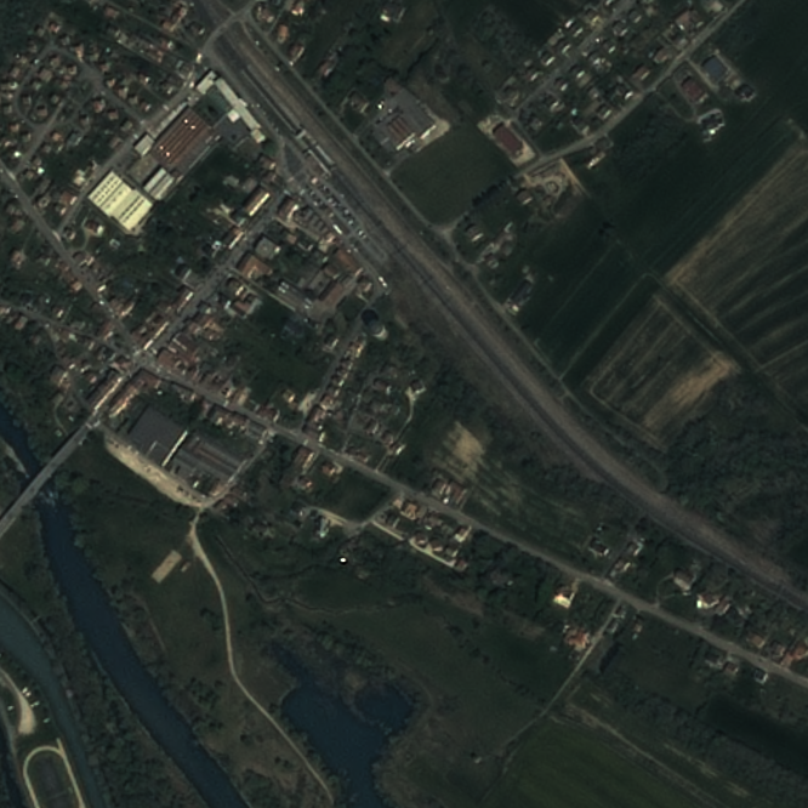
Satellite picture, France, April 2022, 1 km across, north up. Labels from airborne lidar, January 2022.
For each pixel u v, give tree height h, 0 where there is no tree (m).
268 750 0
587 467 0
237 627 0
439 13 0
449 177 0
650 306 0
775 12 0
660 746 0
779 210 0
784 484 18
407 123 0
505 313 0
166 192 0
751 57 0
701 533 0
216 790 0
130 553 0
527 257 0
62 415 0
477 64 0
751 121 0
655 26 11
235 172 0
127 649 0
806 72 0
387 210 0
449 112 0
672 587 0
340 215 0
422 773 0
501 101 0
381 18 0
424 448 0
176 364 0
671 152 12
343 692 0
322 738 0
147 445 0
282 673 0
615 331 0
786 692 0
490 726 0
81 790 0
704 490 19
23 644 0
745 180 0
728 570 9
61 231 0
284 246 11
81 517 10
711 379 0
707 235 0
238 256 0
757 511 0
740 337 0
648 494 0
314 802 0
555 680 0
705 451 19
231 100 0
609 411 0
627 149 7
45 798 0
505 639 0
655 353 0
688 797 0
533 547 0
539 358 0
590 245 0
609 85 0
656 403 0
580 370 0
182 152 0
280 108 0
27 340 8
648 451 8
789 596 0
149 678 0
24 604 13
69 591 0
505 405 0
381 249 0
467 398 8
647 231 0
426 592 0
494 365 0
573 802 0
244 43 0
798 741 0
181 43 0
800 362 0
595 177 0
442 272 0
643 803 0
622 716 0
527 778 0
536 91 0
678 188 0
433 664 0
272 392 0
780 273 0
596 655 0
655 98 12
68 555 0
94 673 11
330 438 0
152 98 0
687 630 0
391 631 0
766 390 0
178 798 9
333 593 0
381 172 0
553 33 0
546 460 0
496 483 0
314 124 0
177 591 0
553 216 0
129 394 0
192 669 0
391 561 8
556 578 16
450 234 0
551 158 0
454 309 0
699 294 0
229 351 8
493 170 0
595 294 0
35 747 0
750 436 14
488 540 20
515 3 0
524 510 0
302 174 0
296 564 0
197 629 0
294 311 0
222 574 0
